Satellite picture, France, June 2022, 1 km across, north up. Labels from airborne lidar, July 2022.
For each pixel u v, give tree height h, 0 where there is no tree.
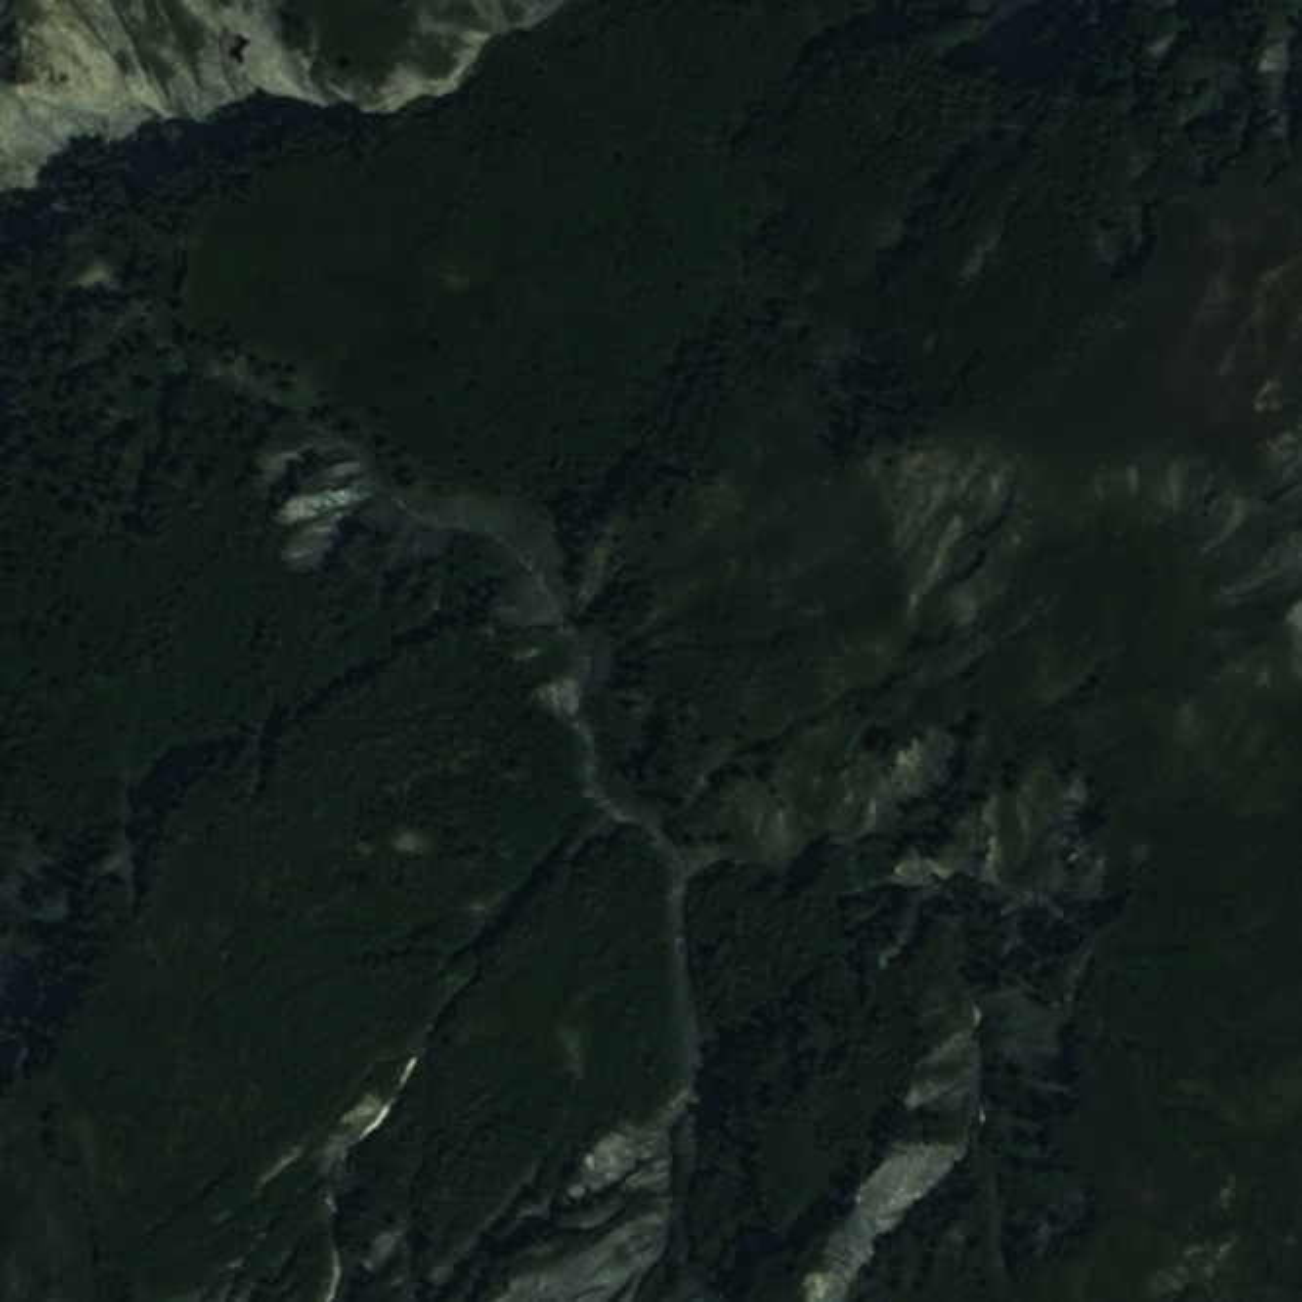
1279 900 0
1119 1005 0
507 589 8
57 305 25
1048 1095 0
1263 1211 0
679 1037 0
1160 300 0
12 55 0
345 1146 0
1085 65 8
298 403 0
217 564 6
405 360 0
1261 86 9
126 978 0
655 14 7
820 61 9
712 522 0
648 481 8
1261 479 0
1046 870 0
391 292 0
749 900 8
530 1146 6
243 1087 0
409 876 8
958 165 7
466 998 5
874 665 0
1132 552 0
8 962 0
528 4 0
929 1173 0
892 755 17
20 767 6
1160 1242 0
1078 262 6
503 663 14
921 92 6
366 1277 7
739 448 0
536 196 0
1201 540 0
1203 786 0
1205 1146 0
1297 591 0
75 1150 0
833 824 0
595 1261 0
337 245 0
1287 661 0
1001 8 0
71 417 13
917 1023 7
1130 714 0
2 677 8
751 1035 9
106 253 8
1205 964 0
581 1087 5
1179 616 0
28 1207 0
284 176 7
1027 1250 6
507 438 0
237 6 0
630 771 14
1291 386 0
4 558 12
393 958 14
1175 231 0
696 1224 7
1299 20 0
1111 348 0
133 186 0
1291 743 0
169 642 8
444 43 0
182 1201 6
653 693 7
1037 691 0
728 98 0
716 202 0
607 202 0
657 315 0
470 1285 8
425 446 0
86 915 18
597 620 9
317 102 0
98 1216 0
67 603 8
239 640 9
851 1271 0
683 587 0
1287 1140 0
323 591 11
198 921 0
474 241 0
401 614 5
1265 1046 0
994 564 0
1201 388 0
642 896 6
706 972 9
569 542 14
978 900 7
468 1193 6
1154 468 0
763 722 0
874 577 0
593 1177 0
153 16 0
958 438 0
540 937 9
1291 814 0
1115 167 0
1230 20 6
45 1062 8
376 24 0
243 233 0
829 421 0
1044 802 0
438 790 13
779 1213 6
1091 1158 0
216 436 11
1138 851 0
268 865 8
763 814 0
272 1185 5
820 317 7
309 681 6
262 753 10
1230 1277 0
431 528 0
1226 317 0
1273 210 0
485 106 6
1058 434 0
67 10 0
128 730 8
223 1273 6
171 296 0
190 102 0
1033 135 8
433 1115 5
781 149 9
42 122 0
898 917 7
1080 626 0
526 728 10
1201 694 0
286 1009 6
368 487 0
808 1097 9
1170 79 6
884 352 6
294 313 0
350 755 6
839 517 0
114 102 0
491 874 8
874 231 6
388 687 7
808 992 8
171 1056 5
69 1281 0
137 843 12
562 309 0
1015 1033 0
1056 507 0
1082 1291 0
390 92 0
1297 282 0
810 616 0
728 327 5
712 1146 6
